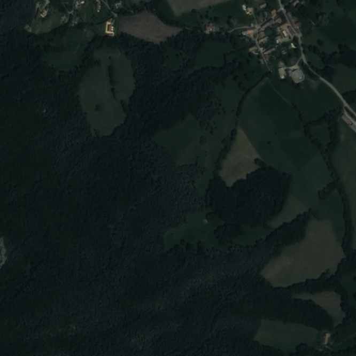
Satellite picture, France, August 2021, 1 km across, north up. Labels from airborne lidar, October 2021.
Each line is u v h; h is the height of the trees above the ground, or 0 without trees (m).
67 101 24
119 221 14
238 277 16
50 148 13
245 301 30
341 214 0
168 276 19
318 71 19
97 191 31
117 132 23
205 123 11
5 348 25
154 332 9
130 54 18
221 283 19
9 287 21
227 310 23
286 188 21
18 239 20
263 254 14
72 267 19
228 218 32
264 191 30
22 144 21
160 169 18
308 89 0
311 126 20
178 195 16
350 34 0
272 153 0
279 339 0
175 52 0
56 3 11
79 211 22
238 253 15
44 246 30
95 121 0
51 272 25
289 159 0
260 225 21
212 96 10
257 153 0
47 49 20
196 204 17
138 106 23
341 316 0
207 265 13
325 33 0
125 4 6
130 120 20
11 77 19
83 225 26
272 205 29
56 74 28
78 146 12
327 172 0
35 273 26
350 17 0
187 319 14
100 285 18
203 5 0
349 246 20
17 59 19
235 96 0
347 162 0
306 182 0
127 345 18
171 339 20
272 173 28
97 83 0
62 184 22
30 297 26
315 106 0
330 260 0
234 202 37
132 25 0
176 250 15
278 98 0
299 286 20
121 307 12
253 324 10
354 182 0
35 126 23
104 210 26
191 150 0
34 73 23
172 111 28
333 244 0
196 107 23
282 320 15
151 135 20
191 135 0
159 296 15
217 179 18
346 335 0
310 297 0
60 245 24
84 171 22
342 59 27
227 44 0
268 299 34
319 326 21
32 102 23
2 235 9
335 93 0
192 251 20
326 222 0
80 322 15
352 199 0
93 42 20
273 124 0
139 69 17
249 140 0
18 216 27
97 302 12
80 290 17
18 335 18
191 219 0
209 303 18
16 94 21
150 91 25
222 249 0
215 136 0
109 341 19
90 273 19
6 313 17
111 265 17
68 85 22
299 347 15
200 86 21
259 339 0
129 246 17
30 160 21
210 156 0
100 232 23
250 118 0
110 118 0
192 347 21
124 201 26
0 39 23
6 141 20
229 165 0
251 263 10
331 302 0
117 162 25
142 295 21
